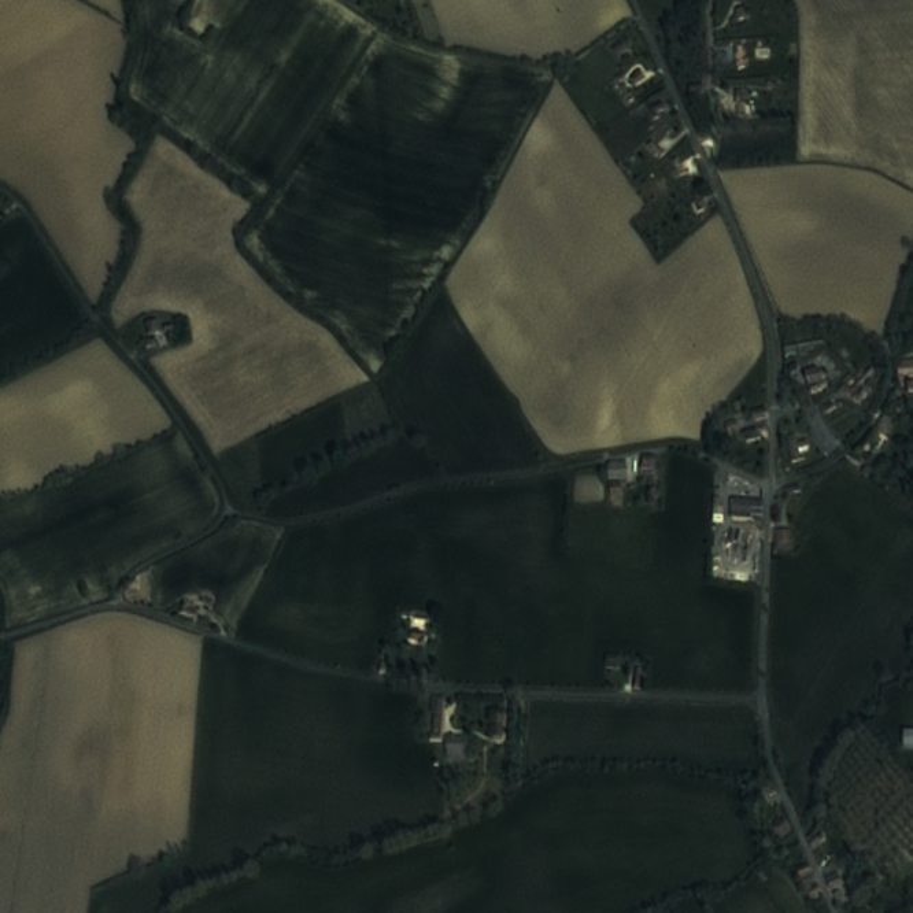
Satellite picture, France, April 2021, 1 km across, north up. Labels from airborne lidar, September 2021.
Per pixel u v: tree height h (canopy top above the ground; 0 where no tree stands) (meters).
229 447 0
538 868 0
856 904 27
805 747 0
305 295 0
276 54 0
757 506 0
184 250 0
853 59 0
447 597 0
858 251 0
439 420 0
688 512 0
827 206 0
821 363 0
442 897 0
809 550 0
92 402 0
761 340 0
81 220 0
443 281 8
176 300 0
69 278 0
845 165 0
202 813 0
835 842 0
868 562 0
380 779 0
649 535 0
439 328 0
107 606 0
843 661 0
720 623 0
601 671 0
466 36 0
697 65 11
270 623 0
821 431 0
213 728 0
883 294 0
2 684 5
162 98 0
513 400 0
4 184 0
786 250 0
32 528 0
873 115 0
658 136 0
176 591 0
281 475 0
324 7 0
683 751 0
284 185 0
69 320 0
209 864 0
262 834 0
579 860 0
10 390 0
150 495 0
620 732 0
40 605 0
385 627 0
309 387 0
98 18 0
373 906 0
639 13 0
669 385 0
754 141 8
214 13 0
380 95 0
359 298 0
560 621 0
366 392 0
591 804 0
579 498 0
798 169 0
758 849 7
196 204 0
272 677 0
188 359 0
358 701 0
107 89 0
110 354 0
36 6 0
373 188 0
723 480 0
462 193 0
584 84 0
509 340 0
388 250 0
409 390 0
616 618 0
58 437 0
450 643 0
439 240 0
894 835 26
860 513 0
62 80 0
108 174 0
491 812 22
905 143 0
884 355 19
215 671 0
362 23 0
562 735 0
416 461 0
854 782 25
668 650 0
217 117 0
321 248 0
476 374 0
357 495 0
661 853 0
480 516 0
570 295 0
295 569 0
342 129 0
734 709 0
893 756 23
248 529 0
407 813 0
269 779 0
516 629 0
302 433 0
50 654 0
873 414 9
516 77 0
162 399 0
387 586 0
